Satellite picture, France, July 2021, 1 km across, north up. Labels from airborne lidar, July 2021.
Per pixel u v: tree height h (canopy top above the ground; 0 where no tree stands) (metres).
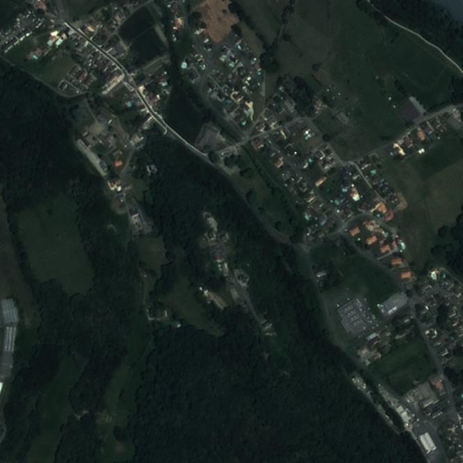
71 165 14
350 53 0
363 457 22
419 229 0
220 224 9
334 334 0
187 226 29
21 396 22
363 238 0
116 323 17
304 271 0
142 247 0
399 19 9
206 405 22
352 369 24
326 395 18
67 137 21
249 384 19
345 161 0
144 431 17
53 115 22
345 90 0
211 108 0
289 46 0
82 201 24
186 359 19
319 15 0
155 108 0
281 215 0
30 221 0
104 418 0
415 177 0
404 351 0
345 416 19
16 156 24
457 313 6
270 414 25
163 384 19
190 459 19
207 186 23
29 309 0
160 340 21
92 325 19
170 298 0
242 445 11
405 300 0
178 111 0
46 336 18
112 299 15
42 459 0
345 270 0
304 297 21
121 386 0
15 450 18
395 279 0
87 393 27
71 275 0
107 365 23
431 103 0
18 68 18
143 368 0
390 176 0
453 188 0
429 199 0
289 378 16
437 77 0
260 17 0
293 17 0
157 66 0
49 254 0
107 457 0
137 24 0
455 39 25
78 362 16
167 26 12
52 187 19
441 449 0
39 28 9
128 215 8
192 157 14
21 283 0
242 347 24
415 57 0
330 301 0
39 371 29
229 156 0
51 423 0
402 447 15
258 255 17
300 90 16
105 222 14
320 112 0
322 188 6
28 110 26
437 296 7
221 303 0
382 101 0
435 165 0
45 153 22
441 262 0
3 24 0
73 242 0
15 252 0
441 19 20
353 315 0
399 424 20
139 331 0
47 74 0
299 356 20
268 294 11
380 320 0
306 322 23
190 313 0
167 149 11
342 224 0
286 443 20
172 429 23
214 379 22
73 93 0
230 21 0
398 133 0
